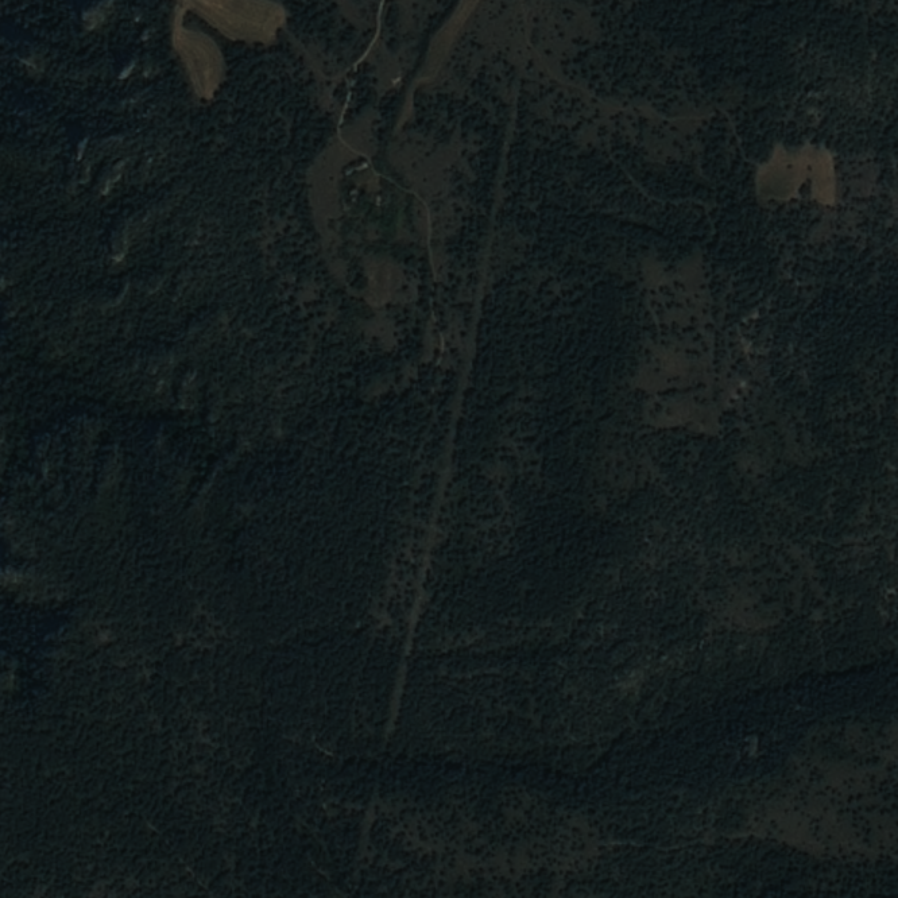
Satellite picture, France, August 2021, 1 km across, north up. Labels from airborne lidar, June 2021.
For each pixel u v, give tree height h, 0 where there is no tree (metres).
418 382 6
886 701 9
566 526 10
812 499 8
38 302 10
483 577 7
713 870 7
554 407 6
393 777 9
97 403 12
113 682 8
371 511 8
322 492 8
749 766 6
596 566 9
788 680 12
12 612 11
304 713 9
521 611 7
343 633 9
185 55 0
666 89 6
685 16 9
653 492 7
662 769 10
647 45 6
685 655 8
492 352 10
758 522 6
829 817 0
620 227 8
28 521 6
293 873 11
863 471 7
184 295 7
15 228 15
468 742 7
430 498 7
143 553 8
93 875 8
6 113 14
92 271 8
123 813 7
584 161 9
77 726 8
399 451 8
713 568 6
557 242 10
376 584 6
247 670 9
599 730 9
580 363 9
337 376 10
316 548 7
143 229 6
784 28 8
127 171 14
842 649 7
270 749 9
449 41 0
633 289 8
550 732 7
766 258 8
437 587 8
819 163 0
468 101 6
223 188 7
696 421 0
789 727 6
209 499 7
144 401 8
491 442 8
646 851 8
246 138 8
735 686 10
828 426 8
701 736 8
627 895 7
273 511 7
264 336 9
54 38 10
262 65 9
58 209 9
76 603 8
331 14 8
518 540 7
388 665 7
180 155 7
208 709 8
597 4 7
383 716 6
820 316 7
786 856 7
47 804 6
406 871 7
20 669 7
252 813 8
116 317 8
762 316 6
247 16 0
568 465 8
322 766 11
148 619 8
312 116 8
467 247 9
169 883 7
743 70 10
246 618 10
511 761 13
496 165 7
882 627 8
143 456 6
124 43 8
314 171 0
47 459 8
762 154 7
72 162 8
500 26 0
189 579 6
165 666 8
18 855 8
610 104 0
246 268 7
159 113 8
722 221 8
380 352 8
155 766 6
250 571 9
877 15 6
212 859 9
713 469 6
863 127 7
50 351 8
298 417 13
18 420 10
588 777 10
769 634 6
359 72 7
